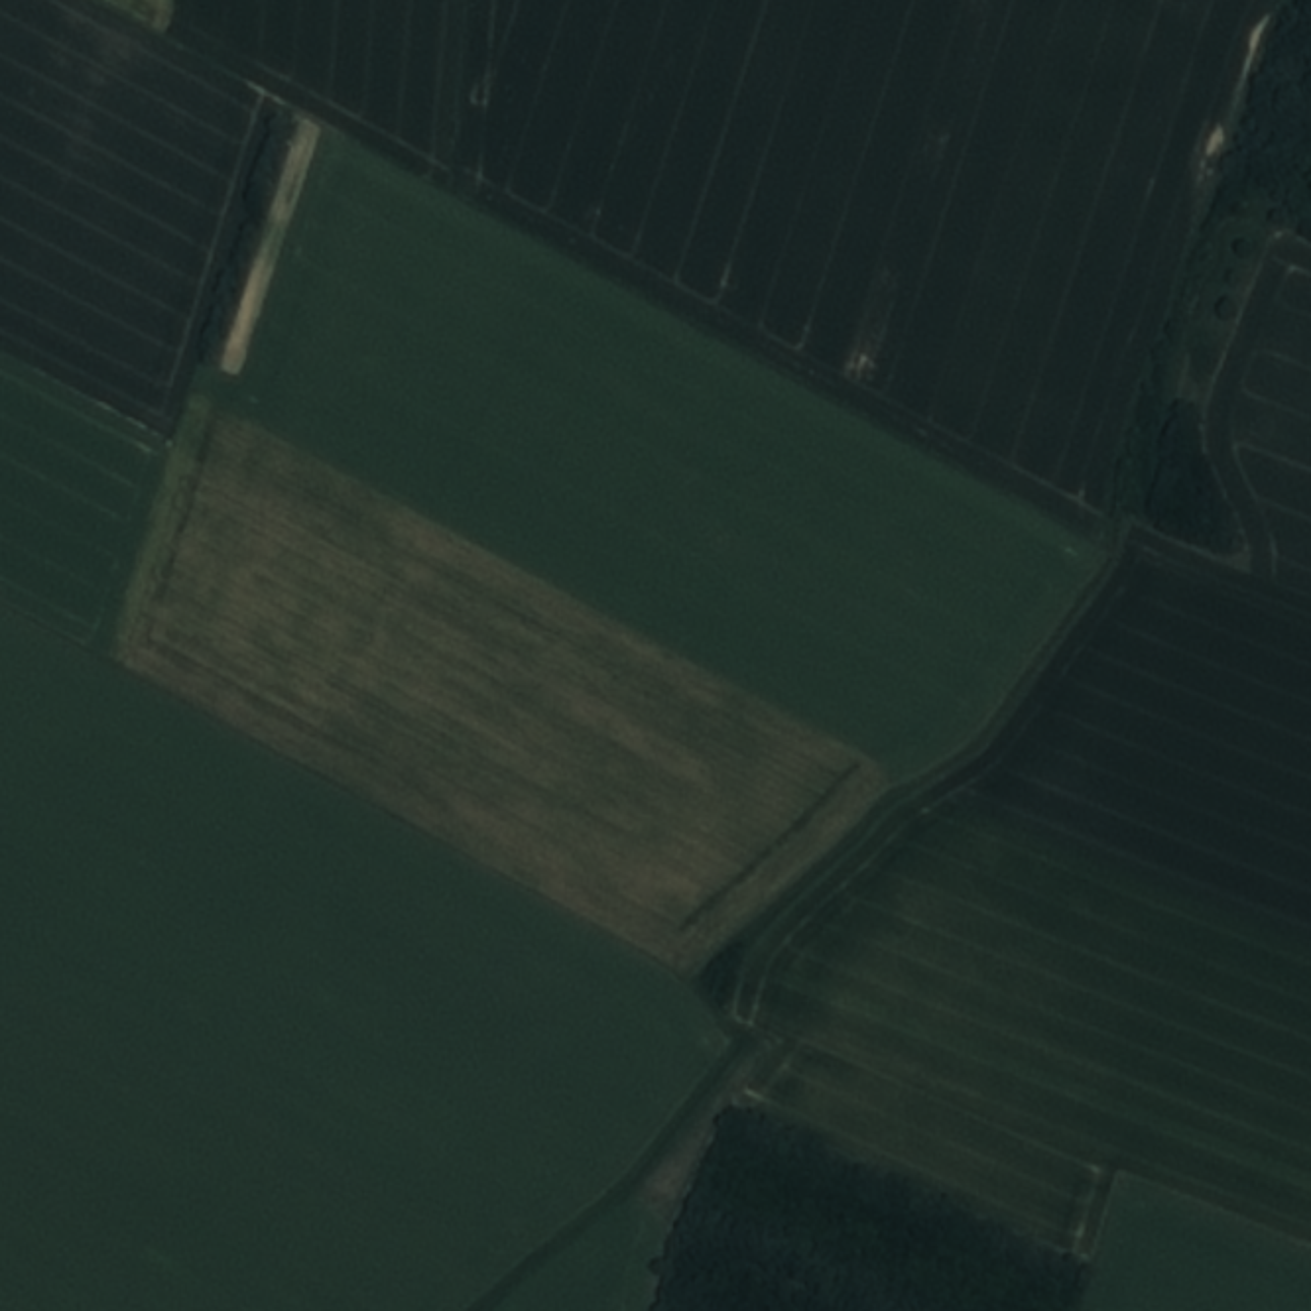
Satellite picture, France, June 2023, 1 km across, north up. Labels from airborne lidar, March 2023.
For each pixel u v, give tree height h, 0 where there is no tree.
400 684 0
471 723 0
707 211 0
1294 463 0
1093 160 0
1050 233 0
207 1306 0
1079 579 0
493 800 0
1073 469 0
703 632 0
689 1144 0
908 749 0
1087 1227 0
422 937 0
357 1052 0
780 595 0
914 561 0
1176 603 0
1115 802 0
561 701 0
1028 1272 9
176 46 0
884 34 0
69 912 0
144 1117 0
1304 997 0
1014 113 0
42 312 0
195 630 0
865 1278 16
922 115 0
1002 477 0
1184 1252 0
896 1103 0
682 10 0
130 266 0
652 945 0
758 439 0
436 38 0
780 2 0
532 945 0
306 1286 0
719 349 0
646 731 0
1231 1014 0
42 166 0
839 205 0
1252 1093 0
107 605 0
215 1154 0
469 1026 0
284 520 0
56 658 0
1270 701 0
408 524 0
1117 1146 0
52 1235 0
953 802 0
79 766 0
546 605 0
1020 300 0
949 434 0
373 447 0
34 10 0
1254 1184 0
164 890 0
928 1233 10
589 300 0
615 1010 0
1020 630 0
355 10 0
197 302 0
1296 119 20
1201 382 0
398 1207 0
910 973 0
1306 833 0
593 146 0
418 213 0
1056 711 0
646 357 0
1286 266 0
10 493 0
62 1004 0
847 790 0
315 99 0
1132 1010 0
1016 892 0
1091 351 0
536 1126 0
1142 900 0
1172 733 0
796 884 0
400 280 0
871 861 0
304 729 0
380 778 0
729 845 0
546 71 0
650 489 0
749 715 0
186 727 0
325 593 0
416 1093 0
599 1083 0
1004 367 0
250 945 0
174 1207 0
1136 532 0
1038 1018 0
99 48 0
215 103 0
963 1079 0
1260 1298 0
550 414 0
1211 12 0
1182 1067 0
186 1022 0
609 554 0
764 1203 11
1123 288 0
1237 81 0
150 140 0
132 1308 0
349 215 0
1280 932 0
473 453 0
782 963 0
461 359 0
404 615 0
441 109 0
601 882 0
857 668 0
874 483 0
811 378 0
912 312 0
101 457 0
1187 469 18
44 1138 0
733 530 0
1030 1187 0
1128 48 0
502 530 0
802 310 0
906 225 0
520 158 0
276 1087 0
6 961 0
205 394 0
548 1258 0
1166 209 0
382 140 0
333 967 0
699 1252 13
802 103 0
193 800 0
